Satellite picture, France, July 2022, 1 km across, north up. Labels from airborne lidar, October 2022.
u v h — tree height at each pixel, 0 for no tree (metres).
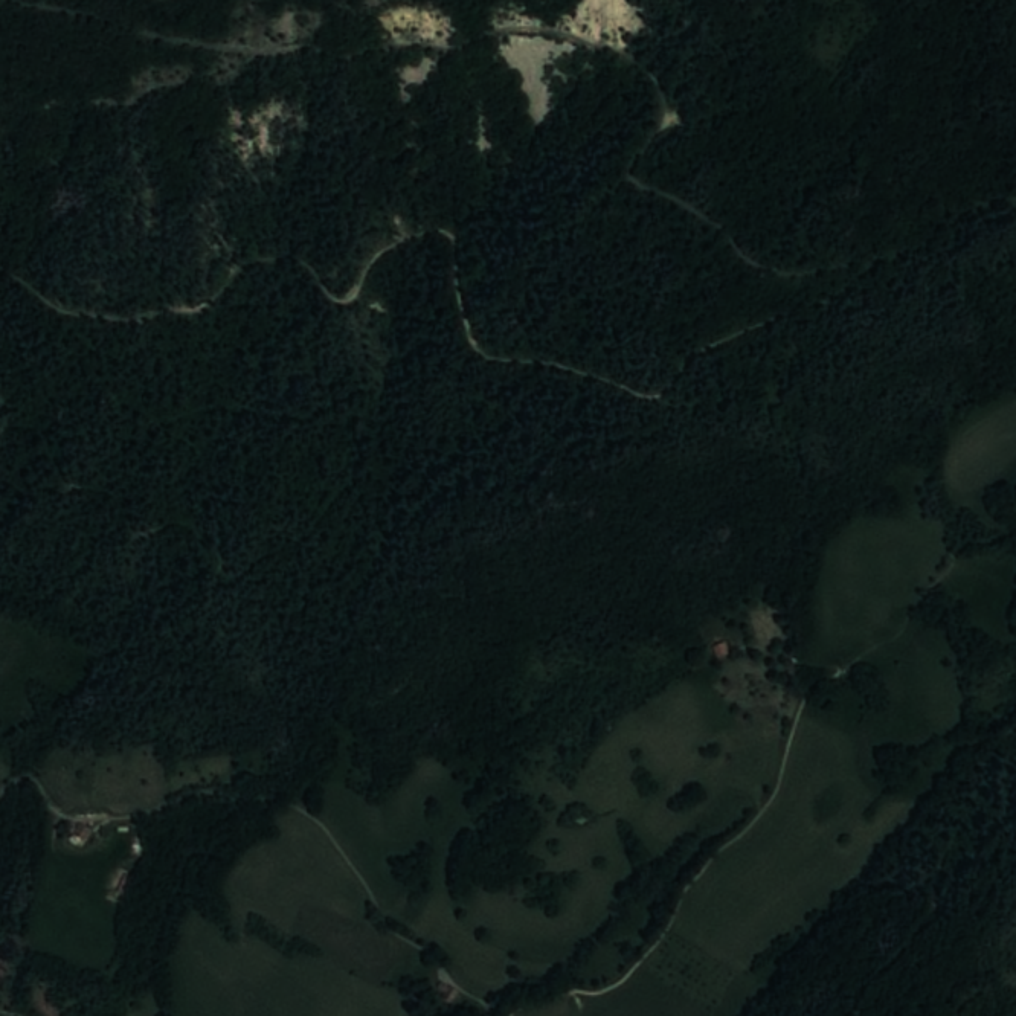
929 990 28
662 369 14
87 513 18
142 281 19
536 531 15
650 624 11
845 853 0
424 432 23
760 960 11
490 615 12
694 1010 0
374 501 16
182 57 16
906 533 0
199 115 21
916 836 25
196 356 10
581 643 18
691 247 15
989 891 9
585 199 25
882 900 30
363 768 18
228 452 8
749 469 16
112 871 0
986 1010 9
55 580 15
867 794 0
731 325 8
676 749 0
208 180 24
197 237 19
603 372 15
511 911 0
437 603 15
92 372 15
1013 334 11
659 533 15
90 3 13
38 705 21
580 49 8
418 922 0
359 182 24
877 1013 27
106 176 24
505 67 16
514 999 27
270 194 22
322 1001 0
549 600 11
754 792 0
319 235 14
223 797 16
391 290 15
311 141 28
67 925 0
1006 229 31
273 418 8
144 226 25
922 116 25
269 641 17
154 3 7
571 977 20
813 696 14
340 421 12
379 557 12
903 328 20
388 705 13
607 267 19
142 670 17
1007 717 6
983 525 10
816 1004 20
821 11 9
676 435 15
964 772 19
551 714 7
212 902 15
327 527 14
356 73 18
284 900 0
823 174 17
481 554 10
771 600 13
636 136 21
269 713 17
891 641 0
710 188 18
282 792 19
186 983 0
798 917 0
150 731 13
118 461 13
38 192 22
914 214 17
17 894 26
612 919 11
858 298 26
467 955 0
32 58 18
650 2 7
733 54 15
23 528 15
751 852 0
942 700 0
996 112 28
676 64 24
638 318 17
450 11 17
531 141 15
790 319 12
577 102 23
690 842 17
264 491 20
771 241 13
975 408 13
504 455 30
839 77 6
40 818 12
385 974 0
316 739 23
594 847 0
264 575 12
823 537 14
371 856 0
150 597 18
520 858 17
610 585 13
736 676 0
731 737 0
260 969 0
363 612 25
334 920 0
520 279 21
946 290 26
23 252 23
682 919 0
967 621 20
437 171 25
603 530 17
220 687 17
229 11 9
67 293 8
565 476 9
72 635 16
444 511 20
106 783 0
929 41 32
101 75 17
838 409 9
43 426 8
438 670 12
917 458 13
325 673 17
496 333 18
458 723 19
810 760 0
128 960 14
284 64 21
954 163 22
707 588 11
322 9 8
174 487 15
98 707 22
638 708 8
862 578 0
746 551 18
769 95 10
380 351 8
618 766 0
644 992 0
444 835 0
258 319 25
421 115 18
